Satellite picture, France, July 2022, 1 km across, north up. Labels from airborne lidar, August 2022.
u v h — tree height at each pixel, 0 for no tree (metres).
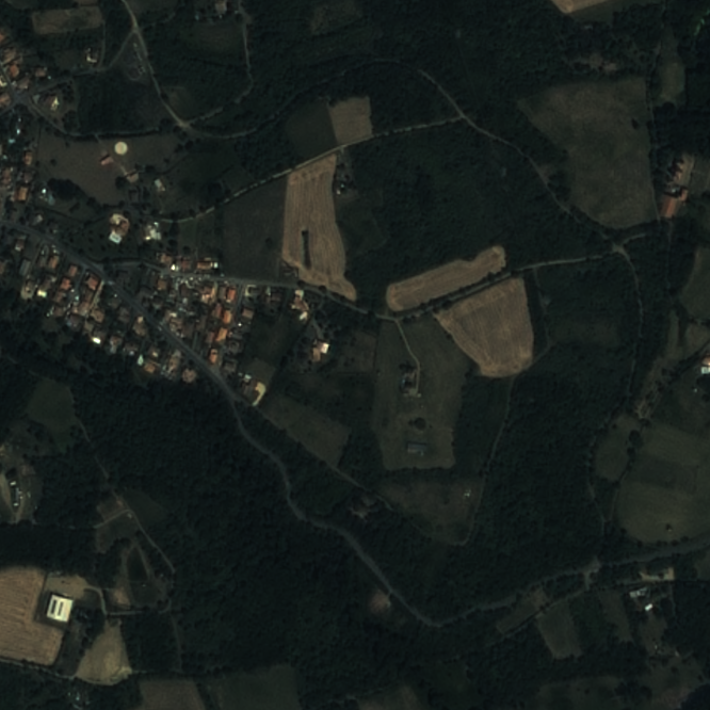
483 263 0
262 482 22
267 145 9
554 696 0
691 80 17
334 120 0
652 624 0
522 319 0
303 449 11
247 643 12
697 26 6
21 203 7
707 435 0
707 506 0
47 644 0
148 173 10
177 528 7
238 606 11
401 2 9
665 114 15
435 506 0
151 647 9
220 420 24
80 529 9
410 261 9
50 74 8
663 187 13
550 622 0
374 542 9
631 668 13
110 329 7
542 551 12
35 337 13
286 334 0
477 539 10
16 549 11
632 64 5
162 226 0
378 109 12
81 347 12
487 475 10
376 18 10
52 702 8
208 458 14
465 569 7
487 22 8
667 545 9
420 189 9
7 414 11
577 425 13
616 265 7
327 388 0
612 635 9
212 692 0
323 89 10
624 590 8
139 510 0
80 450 13
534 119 0
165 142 0
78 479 8
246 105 8
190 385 7
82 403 11
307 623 12
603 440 10
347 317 9
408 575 7
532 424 12
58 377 13
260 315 8
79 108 6
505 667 10
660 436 0
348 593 16
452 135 7
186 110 0
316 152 0
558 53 6
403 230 6
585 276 9
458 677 0
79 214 0
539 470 13
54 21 0
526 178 6
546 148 9
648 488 0
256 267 0
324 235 0
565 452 16
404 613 6
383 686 8
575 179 0
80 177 0
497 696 17
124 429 10
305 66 6
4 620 0
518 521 13
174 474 6
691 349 0
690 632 14
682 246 17
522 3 10
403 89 8
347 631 13
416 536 11
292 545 27
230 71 7
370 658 14
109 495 11
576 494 12
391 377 0
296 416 0
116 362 14
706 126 21
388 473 6
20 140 6
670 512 0
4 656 0
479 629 16
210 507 13
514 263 7
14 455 0
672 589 8
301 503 8
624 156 0
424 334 0
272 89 9
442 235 6
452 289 0
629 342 7
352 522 12
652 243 9
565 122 0
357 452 7
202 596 11
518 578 13
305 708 8
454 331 0
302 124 0
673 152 19
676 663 0
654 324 10
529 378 9
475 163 8
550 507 11
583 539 12
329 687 8
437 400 0
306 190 0
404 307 0
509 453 6
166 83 9
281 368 8
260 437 9
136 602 0
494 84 7
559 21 10
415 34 7
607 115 0
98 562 10
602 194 0
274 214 0
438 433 0
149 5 0
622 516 0
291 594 16
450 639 12
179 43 11
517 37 8
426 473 5
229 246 0
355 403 0
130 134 6
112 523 0
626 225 0
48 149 0
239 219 0
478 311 0
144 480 9
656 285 10
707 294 0
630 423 0
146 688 0
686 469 0
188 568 8
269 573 16
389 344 0
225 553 9
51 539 11
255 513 22
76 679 6
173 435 13
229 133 9
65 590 0
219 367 0
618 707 0
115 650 0
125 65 0
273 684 0
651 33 15
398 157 7
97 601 0
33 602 0
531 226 5
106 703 10
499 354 0
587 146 0
